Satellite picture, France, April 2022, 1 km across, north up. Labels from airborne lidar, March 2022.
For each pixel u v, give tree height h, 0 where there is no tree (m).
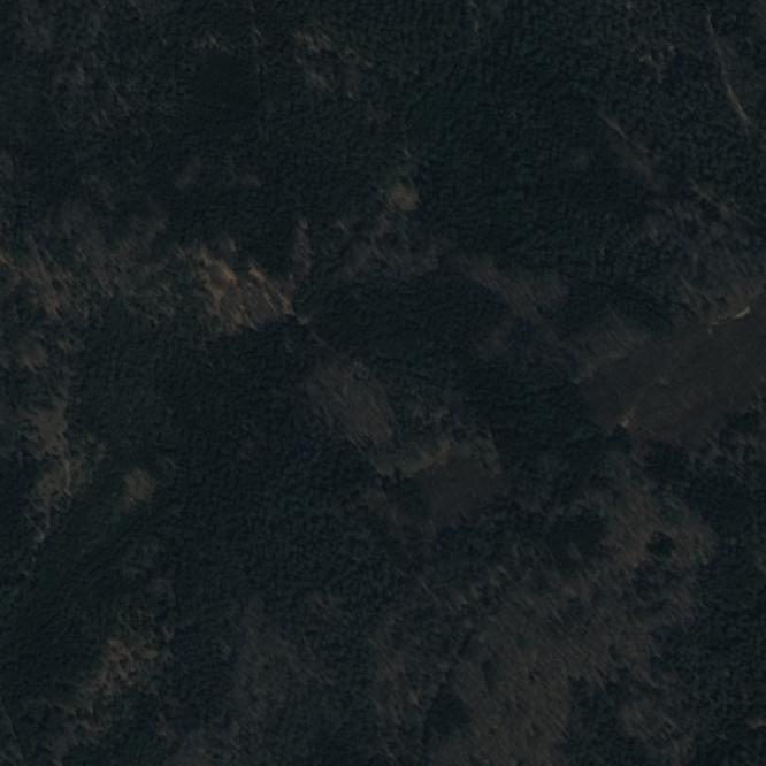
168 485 20
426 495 8
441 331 27
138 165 16
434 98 18
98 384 19
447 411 26
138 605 12
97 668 22
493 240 19
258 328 28
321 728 16
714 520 24
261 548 31
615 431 8
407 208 0
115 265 23
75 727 12
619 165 24
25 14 23
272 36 31
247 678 24
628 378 12
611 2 19
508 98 29
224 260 26
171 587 33
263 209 29
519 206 16
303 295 26
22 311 13
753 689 28
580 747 20
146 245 16
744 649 29
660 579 22
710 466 26
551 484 10
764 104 19
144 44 21
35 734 23
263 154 28
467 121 22
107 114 20
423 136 18
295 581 26
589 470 22
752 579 25
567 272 14
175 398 25
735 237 32
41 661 20
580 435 18
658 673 26
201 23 24
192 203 23
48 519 14
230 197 22
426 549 7
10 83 17
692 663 25
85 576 20
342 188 32
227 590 26
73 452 13
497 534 16
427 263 25
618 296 25
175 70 22
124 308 19
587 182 24
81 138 22
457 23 34
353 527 24
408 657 25
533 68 26
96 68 24
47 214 18
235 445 30
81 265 22
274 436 22
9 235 19
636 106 33
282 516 30
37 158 14
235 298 29
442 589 25
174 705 16
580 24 18
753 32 28
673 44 29
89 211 22
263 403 24
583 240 26
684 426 8
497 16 15
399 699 24
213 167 24
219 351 23
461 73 18
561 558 20
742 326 13
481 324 23
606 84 22
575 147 21
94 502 21
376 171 24
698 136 27
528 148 29
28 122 15
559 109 32
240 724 26
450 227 30
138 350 20
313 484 29
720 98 17
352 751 17
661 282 31
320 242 27
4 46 12
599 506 23
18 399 25
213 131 23
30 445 16
